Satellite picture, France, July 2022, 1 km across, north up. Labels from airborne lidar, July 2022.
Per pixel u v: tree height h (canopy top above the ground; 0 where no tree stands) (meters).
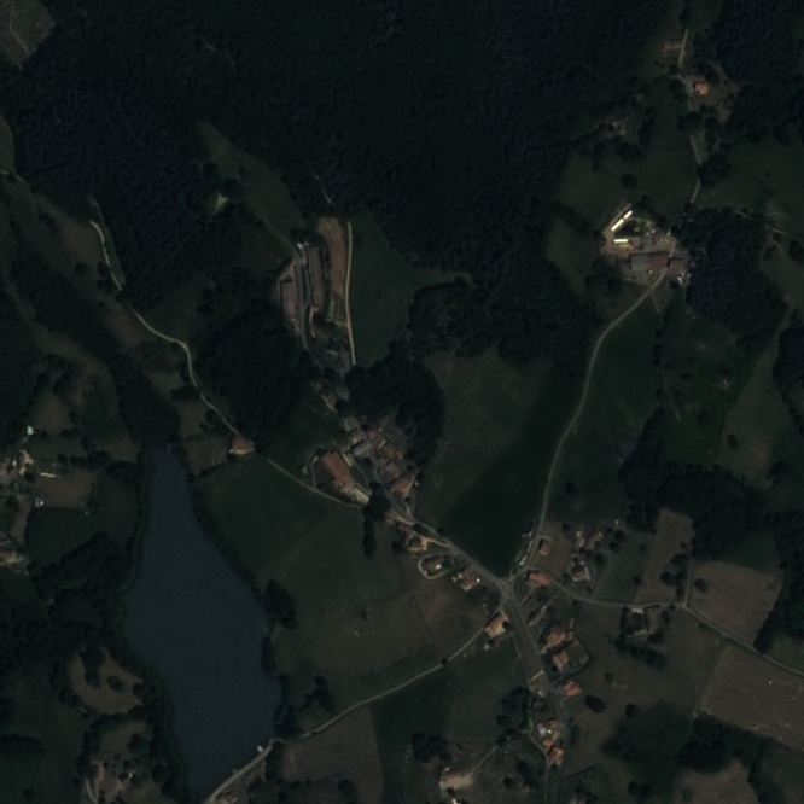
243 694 0
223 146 0
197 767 0
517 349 15
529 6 21
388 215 18
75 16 19
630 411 0
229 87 26
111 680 9
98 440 0
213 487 0
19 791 0
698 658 0
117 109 37
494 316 17
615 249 0
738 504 19
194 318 0
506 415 0
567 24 20
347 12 18
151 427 10
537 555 0
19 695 0
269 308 21
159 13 18
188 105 21
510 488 0
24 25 0
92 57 26
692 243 6
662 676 0
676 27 0
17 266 10
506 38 15
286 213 0
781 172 0
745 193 0
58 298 15
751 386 0
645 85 15
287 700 9
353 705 0
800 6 11
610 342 0
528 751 0
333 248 0
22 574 0
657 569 0
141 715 18
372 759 0
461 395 0
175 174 27
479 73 16
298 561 0
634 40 38
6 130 0
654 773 0
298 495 0
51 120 36
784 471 22
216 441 0
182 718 0
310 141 21
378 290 0
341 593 0
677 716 0
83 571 10
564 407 0
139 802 0
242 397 20
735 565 0
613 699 0
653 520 15
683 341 0
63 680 10
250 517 0
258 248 0
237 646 0
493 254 16
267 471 0
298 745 0
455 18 23
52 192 25
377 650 0
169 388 0
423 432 13
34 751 19
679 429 0
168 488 0
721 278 22
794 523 14
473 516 0
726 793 0
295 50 17
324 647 0
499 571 0
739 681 0
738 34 40
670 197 0
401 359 17
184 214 32
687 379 10
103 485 0
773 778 0
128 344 0
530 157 32
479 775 0
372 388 25
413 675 0
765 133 12
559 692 0
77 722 0
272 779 15
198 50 24
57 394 12
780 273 0
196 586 0
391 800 0
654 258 0
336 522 0
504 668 0
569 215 20
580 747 0
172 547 0
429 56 23
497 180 28
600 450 0
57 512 8
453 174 16
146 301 14
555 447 0
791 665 0
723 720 0
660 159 0
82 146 31
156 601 0
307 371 9
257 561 0
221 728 0
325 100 16
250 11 18
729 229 15
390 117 23
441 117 18
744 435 0
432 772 0
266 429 27
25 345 0
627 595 0
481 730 0
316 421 0
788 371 25
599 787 0
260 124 25
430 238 19
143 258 19
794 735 0
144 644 0
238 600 0
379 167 17
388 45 19
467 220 18
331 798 0
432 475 0
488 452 0
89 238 0
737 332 15
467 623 0
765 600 0
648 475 23
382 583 0
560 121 22
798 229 0
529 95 21
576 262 0
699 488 23
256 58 20
